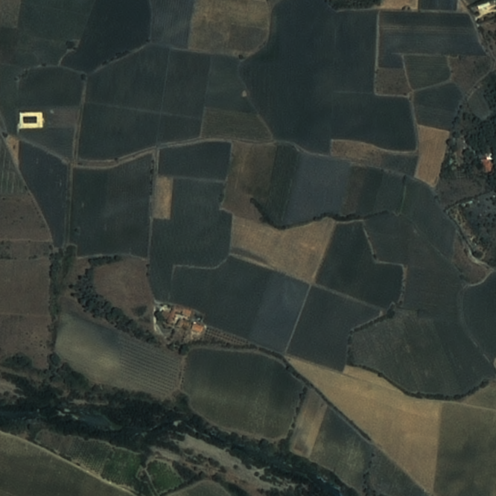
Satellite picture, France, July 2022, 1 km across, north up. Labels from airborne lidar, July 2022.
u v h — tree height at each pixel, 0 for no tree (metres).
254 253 0
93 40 0
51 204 0
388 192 0
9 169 0
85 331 0
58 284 0
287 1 0
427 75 0
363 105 0
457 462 0
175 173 0
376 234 0
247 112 0
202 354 0
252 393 0
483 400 0
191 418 11
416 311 0
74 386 12
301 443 0
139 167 0
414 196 0
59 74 0
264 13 0
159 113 0
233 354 0
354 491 7
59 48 0
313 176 0
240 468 0
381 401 0
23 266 0
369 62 0
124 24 0
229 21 0
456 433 0
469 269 0
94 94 0
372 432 0
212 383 0
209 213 0
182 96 0
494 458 0
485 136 12
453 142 11
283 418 0
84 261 0
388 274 0
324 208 0
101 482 0
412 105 0
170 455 0
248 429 0
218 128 0
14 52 0
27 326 0
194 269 0
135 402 15
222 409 0
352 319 0
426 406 0
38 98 0
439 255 0
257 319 0
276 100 0
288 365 6
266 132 0
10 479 0
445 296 0
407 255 0
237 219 0
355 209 0
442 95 0
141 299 0
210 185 0
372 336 0
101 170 0
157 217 0
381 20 0
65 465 0
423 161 0
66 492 0
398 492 0
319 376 0
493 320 0
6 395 7
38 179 0
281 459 13
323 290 0
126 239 0
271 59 0
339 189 0
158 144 0
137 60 0
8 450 0
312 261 0
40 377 6
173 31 0
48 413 10
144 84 0
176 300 0
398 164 0
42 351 0
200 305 0
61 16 0
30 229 0
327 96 0
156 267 0
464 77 0
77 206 0
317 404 0
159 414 12
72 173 0
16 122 0
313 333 0
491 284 0
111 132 0
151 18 0
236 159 0
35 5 0
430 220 0
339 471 0
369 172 0
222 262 0
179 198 0
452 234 0
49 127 0
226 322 0
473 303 0
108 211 0
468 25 0
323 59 0
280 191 0
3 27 0
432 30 0
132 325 18
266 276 0
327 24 0
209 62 0
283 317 0
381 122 0
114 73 0
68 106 0
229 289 0
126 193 0
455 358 0
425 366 0
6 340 0
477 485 0
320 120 0
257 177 0
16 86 0
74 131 0
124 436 6
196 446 0
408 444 0
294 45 0
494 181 14
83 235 0
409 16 0
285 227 9
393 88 0
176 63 0
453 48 0
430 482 0
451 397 6
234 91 0
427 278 0
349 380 0
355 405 0
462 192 0
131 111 0
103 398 13
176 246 0
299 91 0
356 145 0
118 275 0
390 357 0
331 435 0
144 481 9
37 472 0
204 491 0
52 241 0
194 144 0
